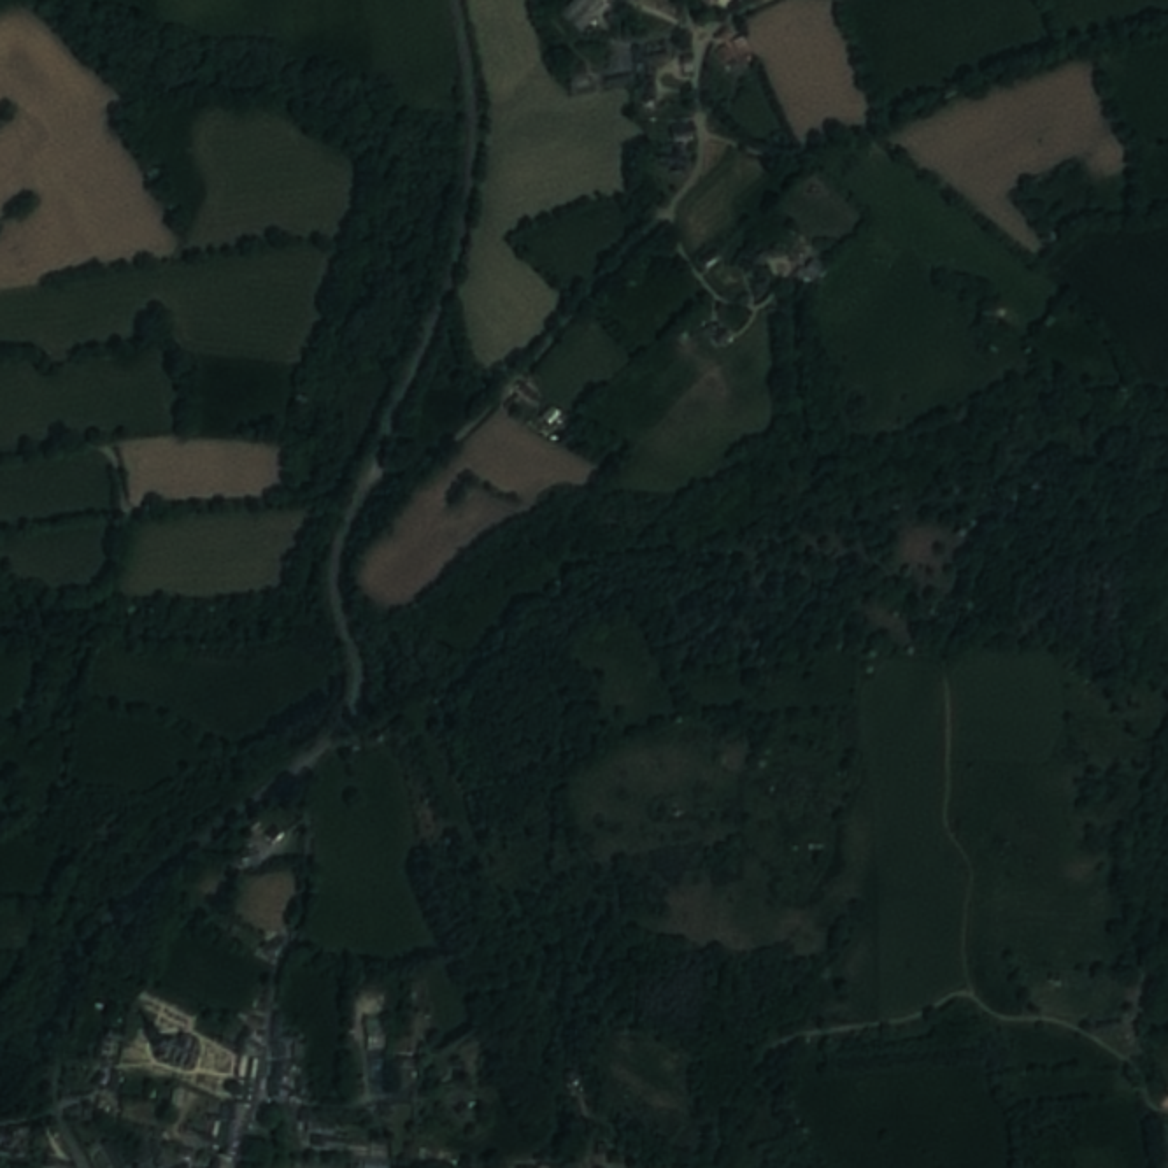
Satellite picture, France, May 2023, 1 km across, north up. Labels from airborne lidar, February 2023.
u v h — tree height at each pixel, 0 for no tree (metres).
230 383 0
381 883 0
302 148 0
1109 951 0
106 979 13
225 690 0
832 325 0
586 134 0
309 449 14
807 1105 0
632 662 0
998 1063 10
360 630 18
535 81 0
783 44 0
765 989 12
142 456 0
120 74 13
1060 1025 0
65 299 0
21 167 0
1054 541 15
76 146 0
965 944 0
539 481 0
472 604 16
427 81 0
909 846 0
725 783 0
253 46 10
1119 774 17
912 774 0
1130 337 0
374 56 0
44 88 0
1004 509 15
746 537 11
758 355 0
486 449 0
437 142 13
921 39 0
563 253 0
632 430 0
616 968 8
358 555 14
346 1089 14
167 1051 0
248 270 0
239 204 0
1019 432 9
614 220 0
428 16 0
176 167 0
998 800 0
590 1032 24
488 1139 0
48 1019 8
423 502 0
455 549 0
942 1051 7
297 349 0
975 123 0
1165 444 17
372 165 14
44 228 0
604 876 10
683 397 0
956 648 15
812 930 0
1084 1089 0
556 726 16
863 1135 0
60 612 7
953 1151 0
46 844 12
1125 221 16
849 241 8
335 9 0
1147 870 9
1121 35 20
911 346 0
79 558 0
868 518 8
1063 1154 16
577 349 0
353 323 20
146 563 0
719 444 0
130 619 10
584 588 15
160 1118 13
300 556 12
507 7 0
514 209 0
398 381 11
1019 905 0
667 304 0
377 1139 14
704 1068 9
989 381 0
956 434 17
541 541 11
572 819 11
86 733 0
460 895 24
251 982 0
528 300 0
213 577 0
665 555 17
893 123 20
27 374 0
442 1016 0
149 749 0
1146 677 20
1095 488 16
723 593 21
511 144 0
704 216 0
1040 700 0
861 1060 8
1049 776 0
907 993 0
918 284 0
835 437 15
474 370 13
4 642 18
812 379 22
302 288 0
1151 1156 13
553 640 18
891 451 17
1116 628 10
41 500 0
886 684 0
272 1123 15
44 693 18
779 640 16
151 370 0
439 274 14
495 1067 28
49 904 18
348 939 0
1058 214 8
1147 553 18
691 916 0
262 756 20
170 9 0
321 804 0
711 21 14
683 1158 14
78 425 0
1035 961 0
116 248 0
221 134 0
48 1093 13
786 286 14
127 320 0
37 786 0
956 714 0
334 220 0
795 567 14
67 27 18
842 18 13
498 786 22
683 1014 10
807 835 0
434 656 15
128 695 0
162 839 6
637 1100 0
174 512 16
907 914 0
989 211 0
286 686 0
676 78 0
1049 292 0
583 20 0
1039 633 6
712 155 0
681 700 12
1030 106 0
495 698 17
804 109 0
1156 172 0
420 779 6
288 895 0
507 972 26
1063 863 0
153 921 24
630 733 10
